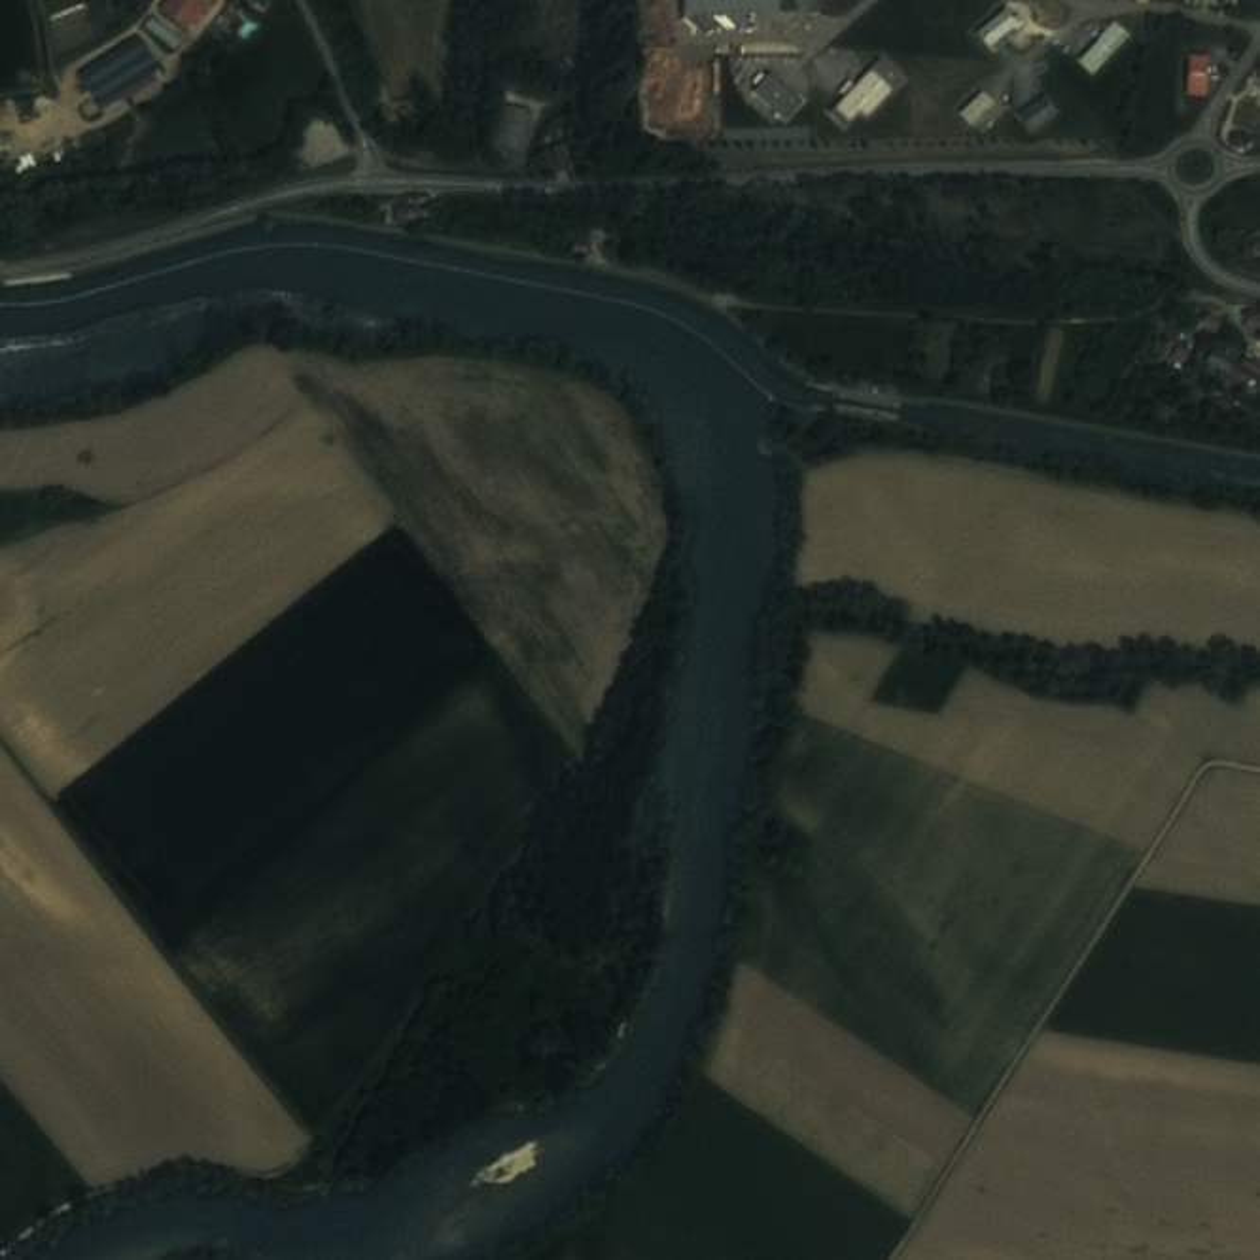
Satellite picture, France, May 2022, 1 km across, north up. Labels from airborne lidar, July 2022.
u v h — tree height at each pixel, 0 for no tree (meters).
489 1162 0
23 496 0
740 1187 0
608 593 0
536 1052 21
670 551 11
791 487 17
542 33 0
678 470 0
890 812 0
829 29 0
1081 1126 0
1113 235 0
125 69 0
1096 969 0
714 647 0
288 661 0
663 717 31
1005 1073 0
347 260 0
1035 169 0
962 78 0
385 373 0
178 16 0
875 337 0
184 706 0
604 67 22
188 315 0
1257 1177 0
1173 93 0
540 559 0
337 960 0
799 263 19
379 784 0
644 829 0
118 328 0
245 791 0
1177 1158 0
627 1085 0
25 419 16
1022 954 0
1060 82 0
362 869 0
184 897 0
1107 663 29
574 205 18
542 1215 0
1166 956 0
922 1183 0
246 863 0
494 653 0
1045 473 7
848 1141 0
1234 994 0
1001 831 0
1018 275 18
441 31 0
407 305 0
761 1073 0
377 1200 0
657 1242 0
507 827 0
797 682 15
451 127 17
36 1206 0
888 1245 0
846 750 0
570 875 36
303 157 0
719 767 0
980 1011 0
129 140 0
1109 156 0
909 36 0
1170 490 8
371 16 0
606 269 0
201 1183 20
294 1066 0
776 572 9
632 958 16
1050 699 14
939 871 0
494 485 0
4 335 0
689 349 0
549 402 0
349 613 0
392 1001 0
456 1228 0
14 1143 0
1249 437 8
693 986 0
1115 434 0
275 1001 0
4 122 0
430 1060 10
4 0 0
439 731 0
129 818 0
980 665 18
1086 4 0
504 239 20
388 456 0
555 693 0
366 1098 11
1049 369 0
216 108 7
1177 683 26
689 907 0
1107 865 0
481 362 0
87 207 16
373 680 0
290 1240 0
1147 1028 0
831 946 0
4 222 19
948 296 21
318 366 0
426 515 0
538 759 0
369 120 14
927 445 6
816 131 0
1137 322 0
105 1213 16
